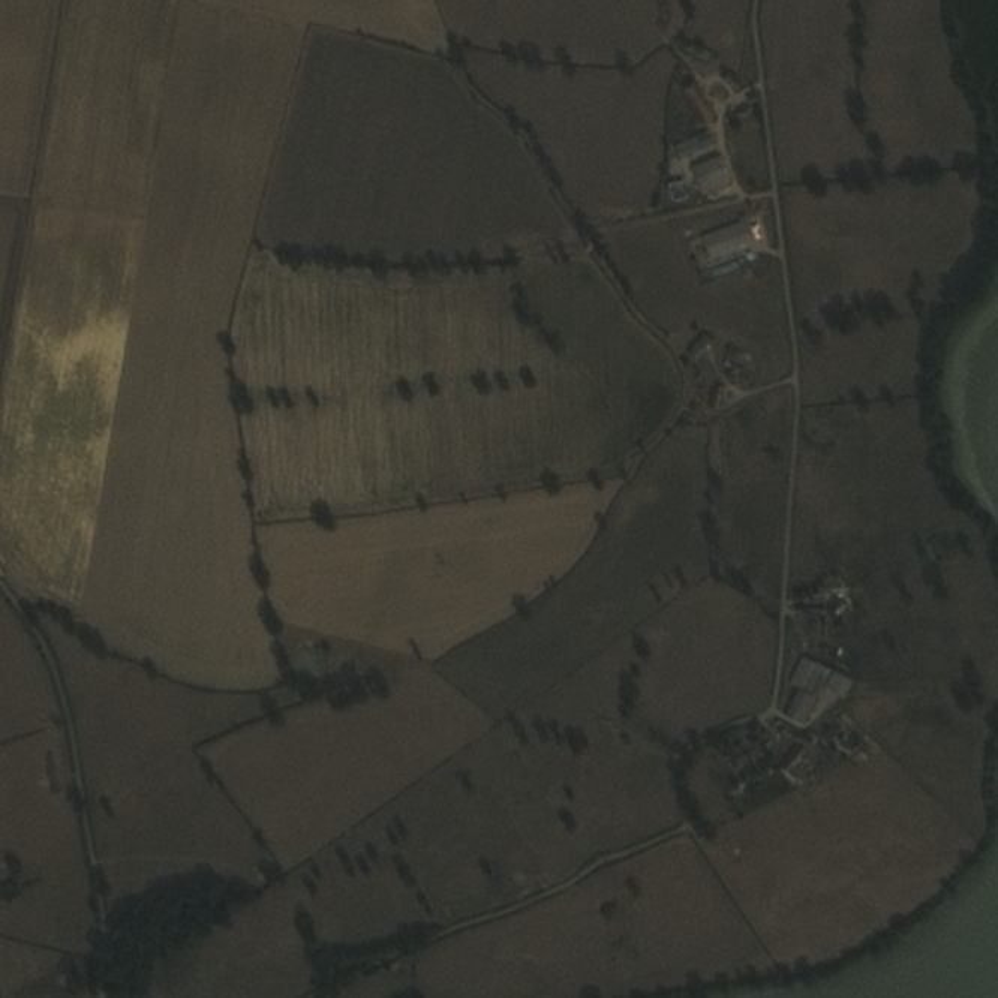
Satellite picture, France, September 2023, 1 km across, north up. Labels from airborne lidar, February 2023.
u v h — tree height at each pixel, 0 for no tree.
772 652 0
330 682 0
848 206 0
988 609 0
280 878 13
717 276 0
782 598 0
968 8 0
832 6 0
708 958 0
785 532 0
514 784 0
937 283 0
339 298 0
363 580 0
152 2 0
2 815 0
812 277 0
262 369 0
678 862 0
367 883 0
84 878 0
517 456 0
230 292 0
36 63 0
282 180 0
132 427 0
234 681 0
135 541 0
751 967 0
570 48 0
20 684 0
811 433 0
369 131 0
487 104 0
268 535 0
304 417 0
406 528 0
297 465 0
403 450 0
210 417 0
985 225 21
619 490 0
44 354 0
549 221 0
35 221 0
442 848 0
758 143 0
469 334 0
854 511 0
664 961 0
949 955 0
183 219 0
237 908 10
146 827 0
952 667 0
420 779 0
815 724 0
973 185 0
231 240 0
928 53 0
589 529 0
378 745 0
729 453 0
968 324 0
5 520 0
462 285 0
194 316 0
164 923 15
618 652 0
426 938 17
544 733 15
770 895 0
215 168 0
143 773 0
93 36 0
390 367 0
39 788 0
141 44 0
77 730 0
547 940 0
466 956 0
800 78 0
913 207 0
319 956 17
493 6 0
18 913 0
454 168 0
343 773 0
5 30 0
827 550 0
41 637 0
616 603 0
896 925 12
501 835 0
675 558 0
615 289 0
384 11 0
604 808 0
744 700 0
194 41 0
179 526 0
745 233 0
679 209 0
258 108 0
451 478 0
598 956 0
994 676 0
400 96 0
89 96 0
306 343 0
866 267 0
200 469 0
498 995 0
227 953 0
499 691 0
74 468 0
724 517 0
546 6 0
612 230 0
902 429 0
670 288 0
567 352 0
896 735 0
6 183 0
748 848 0
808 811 0
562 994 0
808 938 0
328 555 0
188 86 0
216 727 0
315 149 0
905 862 0
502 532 0
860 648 0
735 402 0
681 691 0
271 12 0
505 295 0
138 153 0
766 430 0
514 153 0
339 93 0
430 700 0
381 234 0
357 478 0
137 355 0
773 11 0
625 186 0
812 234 0
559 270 0
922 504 0
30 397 0
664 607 0
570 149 0
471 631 0
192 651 0
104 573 0
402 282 0
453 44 15
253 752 0
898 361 0
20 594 0
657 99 0
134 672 0
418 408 0
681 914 0
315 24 0
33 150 0
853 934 0
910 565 0
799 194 0
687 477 0
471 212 0
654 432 0
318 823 0
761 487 0
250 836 0
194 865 0
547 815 0
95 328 0
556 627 0
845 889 0
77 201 0
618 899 0
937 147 0
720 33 0
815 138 0
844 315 22
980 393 0
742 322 0
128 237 0
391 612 0
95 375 0
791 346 0
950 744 0
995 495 0
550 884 0
